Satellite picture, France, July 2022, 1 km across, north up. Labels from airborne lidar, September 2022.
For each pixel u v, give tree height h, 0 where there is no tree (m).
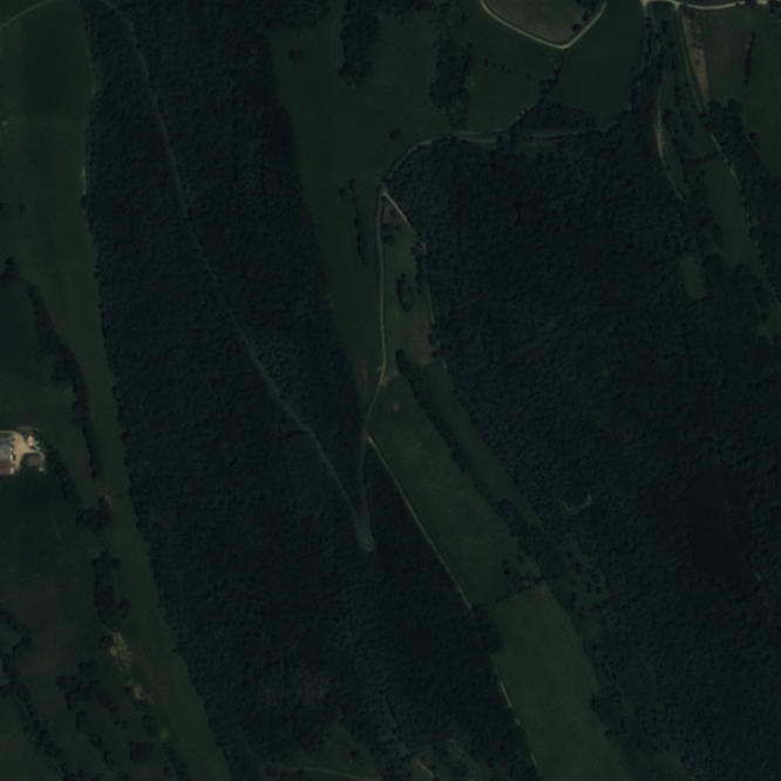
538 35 0
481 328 16
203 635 11
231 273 19
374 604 14
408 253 0
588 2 17
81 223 0
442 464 0
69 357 13
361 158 0
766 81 0
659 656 12
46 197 0
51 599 0
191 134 16
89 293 0
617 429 10
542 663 0
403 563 15
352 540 17
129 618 10
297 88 0
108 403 0
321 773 0
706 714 12
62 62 0
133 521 0
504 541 0
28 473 0
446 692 12
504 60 0
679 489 18
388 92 0
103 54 9
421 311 0
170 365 13
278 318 17
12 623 16
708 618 13
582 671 0
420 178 12
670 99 0
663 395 15
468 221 14
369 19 14
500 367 19
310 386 13
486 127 0
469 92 15
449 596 22
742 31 0
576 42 0
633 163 22
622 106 0
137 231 18
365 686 19
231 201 24
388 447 0
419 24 0
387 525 8
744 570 17
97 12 7
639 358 16
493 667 17
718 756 14
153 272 13
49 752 13
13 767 0
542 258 19
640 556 15
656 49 12
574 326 10
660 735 10
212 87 14
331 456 17
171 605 8
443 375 0
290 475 20
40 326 8
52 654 0
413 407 0
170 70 13
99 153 7
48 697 0
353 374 15
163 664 0
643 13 0
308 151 0
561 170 15
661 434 15
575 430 13
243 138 24
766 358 16
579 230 22
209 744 0
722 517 9
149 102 18
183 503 7
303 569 15
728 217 0
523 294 12
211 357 16
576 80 0
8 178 0
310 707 22
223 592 15
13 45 0
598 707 16
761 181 15
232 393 15
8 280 13
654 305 19
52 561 0
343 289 0
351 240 0
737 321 14
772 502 17
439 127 0
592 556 17
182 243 15
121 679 0
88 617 0
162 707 0
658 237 18
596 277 16
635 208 22
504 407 18
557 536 7
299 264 22
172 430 10
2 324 0
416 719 15
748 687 11
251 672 17
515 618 0
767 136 0
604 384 16
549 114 16
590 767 0
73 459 0
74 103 0
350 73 16
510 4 0
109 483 0
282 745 13
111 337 16
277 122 22
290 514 21
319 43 0
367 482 15
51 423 0
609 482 12
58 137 0
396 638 16
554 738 0
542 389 16
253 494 12
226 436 17
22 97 0
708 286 5
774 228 12
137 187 15
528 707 0
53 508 0
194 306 10
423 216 14
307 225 19
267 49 16
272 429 17
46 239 0
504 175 20
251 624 13
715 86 0
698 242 12
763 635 21
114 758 12
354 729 10
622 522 11
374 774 0
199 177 21
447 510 0
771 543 23
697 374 24
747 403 18
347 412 16
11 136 0
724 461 8
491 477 0
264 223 21
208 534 15
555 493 19
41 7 0
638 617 15
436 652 14
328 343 20
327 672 17
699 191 12
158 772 0
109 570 23
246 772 11
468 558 0
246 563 18
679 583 11
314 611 14
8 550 0
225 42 18
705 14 0
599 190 18
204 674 9
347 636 16
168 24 13
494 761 13
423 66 0
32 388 0
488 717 16
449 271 8
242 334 13
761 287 15
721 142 10
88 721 17
